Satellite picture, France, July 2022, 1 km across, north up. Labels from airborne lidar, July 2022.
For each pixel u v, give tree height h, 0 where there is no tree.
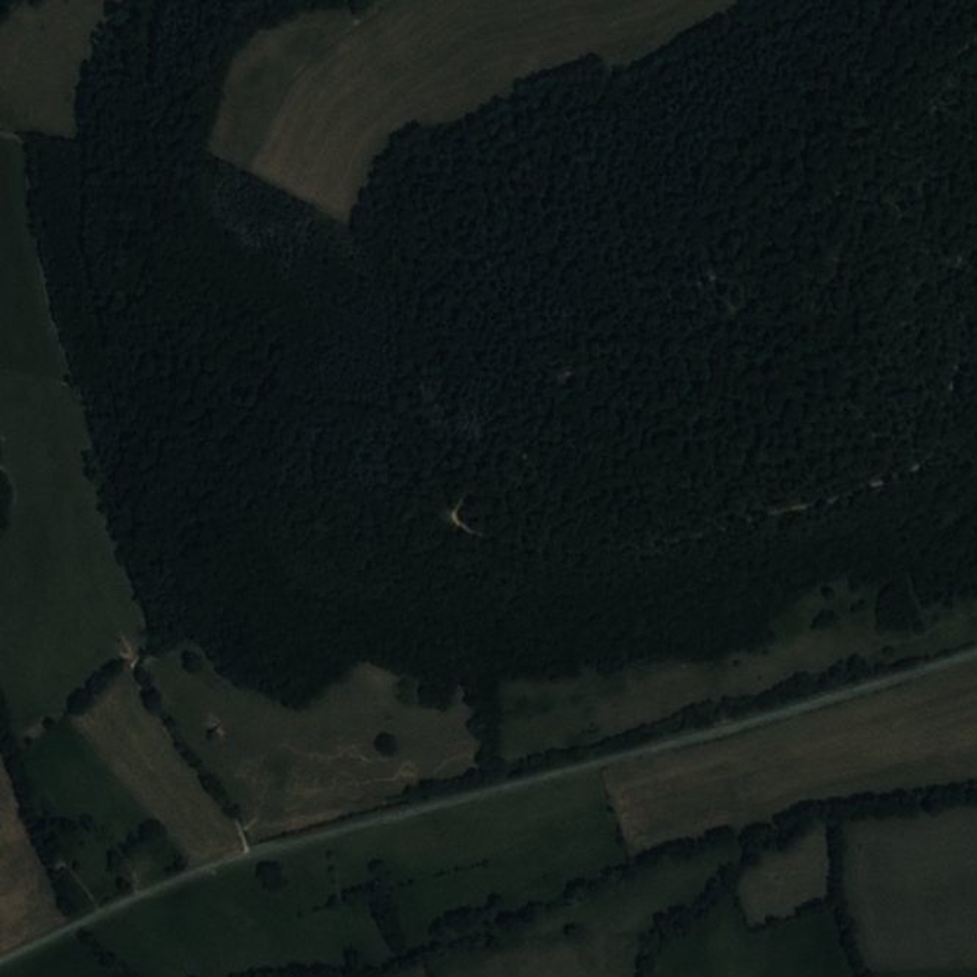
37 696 0
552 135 20
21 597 0
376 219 15
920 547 17
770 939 0
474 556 21
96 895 0
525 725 0
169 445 27
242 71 0
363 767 0
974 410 29
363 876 0
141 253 27
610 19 0
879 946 0
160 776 0
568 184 19
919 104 20
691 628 18
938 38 26
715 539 18
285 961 0
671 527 20
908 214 27
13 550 0
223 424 29
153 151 22
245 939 0
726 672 0
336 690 0
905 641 0
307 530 16
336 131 0
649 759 0
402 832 0
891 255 23
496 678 16
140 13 21
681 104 13
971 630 0
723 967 0
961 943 0
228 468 27
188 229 25
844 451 22
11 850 0
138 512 24
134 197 25
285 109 0
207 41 23
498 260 29
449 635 23
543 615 22
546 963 0
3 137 0
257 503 14
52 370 0
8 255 0
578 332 14
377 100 0
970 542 29
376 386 19
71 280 11
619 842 9
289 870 0
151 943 0
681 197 23
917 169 12
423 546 22
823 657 0
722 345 23
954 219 29
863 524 14
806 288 24
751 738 0
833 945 0
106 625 0
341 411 22
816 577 15
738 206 23
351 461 25
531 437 9
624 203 16
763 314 26
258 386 13
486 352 22
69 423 0
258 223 15
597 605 21
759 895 0
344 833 0
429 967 13
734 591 25
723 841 18
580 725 0
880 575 15
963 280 26
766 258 22
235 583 22
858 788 0
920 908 0
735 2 0
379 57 0
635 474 25
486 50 0
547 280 31
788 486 27
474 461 7
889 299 27
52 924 0
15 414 0
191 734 0
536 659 13
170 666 0
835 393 31
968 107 28
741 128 18
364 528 20
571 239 25
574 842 0
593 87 21
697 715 14
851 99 24
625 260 19
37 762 0
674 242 23
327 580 12
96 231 29
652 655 20
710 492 22
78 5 0
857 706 0
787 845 19
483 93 0
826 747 0
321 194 0
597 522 20
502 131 29
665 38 0
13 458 0
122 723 0
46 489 0
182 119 30
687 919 23
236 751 0
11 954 0
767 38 21
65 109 0
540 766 13
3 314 0
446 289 29
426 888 0
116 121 21
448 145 22
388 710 0
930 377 13
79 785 0
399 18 0
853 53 25
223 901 0
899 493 18
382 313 18
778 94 21
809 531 20
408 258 18
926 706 0
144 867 0
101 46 25
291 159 0
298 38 0
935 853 0
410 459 25
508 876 0
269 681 26
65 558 0
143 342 27
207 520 24
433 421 17
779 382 26
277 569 19
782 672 0
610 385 21
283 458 20
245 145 0
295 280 15
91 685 16
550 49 0
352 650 21
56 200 15
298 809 0
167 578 26
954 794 17
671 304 14
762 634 14
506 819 0
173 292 23
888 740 0
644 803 0
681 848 17
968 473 32
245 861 0
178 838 0
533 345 22
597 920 0
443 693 14
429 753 0
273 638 25
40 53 0
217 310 25
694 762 0
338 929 0
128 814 0
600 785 0
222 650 21
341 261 8
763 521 22
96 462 20
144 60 7
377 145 0
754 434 10
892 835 0
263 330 27
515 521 18
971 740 0
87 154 24
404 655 23
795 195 6
